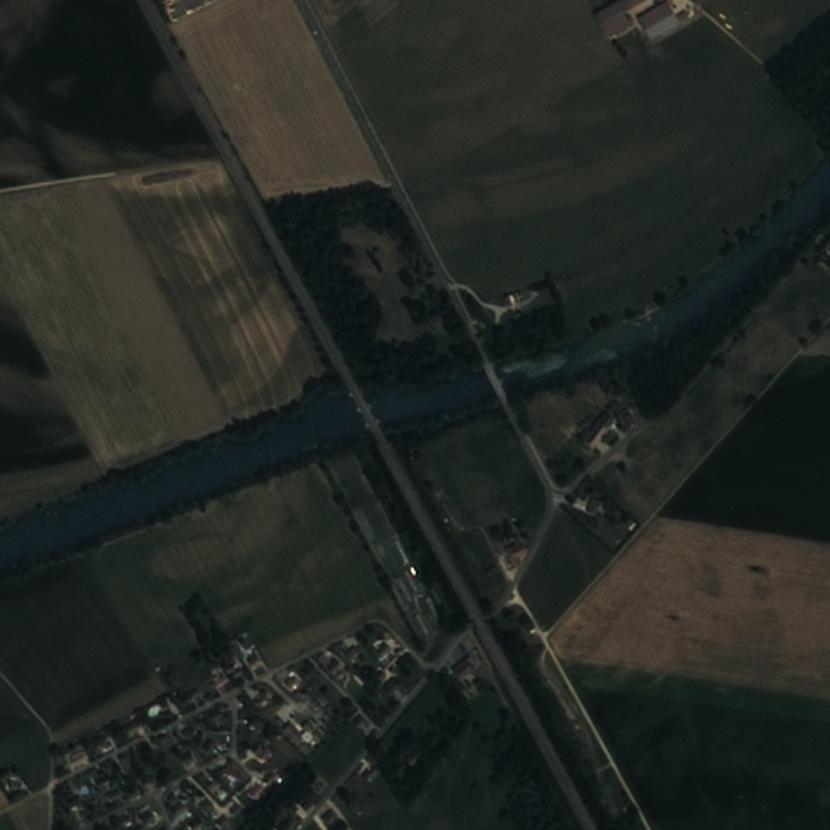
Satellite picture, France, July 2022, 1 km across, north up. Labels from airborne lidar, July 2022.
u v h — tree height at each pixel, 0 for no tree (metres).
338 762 0
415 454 10
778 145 0
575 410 0
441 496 0
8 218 0
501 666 0
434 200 0
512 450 0
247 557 0
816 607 0
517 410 19
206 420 0
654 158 0
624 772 0
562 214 0
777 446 0
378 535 0
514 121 0
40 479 0
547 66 0
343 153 0
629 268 0
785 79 25
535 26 0
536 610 0
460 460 0
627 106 0
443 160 0
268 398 0
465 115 0
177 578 0
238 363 0
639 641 0
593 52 0
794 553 0
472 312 0
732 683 0
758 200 0
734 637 0
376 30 0
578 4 0
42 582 0
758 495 0
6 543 0
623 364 18
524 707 0
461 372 0
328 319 20
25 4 0
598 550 0
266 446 0
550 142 0
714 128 0
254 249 0
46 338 0
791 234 11
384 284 0
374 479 17
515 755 13
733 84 0
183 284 0
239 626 0
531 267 0
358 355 25
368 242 0
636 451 0
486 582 0
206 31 0
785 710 0
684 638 0
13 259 0
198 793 6
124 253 0
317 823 0
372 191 22
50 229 0
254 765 0
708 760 0
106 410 0
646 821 0
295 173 0
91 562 0
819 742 0
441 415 13
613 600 0
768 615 0
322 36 0
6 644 0
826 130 31
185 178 0
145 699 0
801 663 0
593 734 0
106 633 0
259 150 0
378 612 0
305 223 21
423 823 0
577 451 0
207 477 0
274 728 8
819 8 0
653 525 0
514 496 0
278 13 0
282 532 0
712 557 0
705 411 0
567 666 0
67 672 0
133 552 0
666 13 0
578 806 0
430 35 0
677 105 0
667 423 0
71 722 0
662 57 0
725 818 0
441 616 16
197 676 0
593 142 0
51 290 0
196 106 0
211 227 0
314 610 0
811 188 0
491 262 0
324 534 0
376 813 0
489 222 0
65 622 0
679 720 0
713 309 21
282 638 0
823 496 0
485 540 0
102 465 0
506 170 0
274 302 0
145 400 0
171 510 14
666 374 26
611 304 0
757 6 0
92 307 0
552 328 13
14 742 0
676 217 0
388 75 0
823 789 0
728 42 0
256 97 0
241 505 0
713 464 0
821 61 23
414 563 6
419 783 20
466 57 0
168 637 0
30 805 0
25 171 0
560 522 0
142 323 0
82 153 0
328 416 0
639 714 0
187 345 0
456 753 0
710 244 0
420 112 0
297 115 0
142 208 0
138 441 0
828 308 0
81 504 0
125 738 8
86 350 0
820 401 0
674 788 0
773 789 0
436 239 0
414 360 22
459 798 0
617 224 0
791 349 0
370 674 13
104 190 0
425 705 0
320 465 10
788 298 0
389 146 0
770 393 0
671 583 0
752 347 0
